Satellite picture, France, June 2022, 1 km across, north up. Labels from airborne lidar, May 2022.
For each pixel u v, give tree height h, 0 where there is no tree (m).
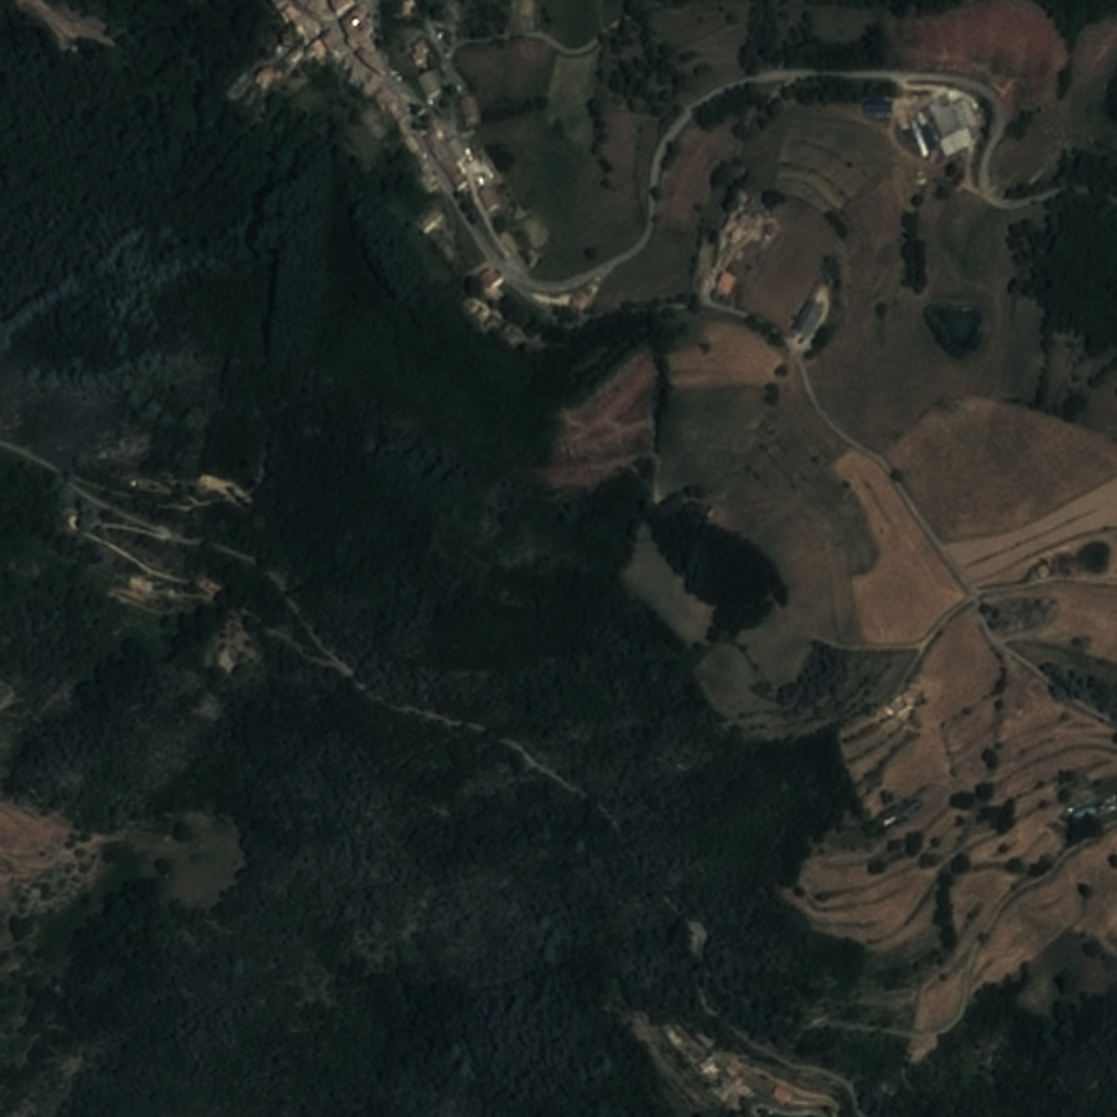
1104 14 7
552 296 0
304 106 0
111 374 13
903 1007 0
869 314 0
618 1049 14
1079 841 15
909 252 11
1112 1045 9
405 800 9
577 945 13
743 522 0
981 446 0
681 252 0
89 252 13
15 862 0
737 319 0
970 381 0
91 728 11
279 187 13
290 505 18
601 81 6
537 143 0
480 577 8
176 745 6
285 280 27
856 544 0
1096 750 0
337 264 7
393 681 19
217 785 13
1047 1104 12
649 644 14
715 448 0
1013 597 0
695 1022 6
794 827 11
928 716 0
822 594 0
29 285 15
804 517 0
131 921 14
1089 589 0
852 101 7
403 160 12
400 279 28
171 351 8
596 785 9
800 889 7
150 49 26
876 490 0
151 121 25
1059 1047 20
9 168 14
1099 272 20
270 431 14
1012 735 0
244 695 15
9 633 10
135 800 6
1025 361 0
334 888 7
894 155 0
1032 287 8
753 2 6
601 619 14
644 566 0
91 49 15
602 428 0
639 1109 11
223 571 12
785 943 12
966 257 0
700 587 18
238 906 7
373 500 14
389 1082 13
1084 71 0
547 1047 12
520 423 6
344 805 15
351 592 10
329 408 14
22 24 12
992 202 0
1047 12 15
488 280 0
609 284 0
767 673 0
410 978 8
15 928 12
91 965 22
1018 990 10
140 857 0
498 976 11
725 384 0
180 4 7
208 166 20
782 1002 10
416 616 11
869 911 0
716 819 7
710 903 14
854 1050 7
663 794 11
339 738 15
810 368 0
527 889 8
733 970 12
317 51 0
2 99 18
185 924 8
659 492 0
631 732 7
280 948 6
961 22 0
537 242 0
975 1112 17
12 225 16
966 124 0
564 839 10
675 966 15
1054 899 0
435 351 6
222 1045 15
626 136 0
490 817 12
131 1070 8
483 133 0
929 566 0
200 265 34
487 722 6
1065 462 0
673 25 0
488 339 10
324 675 7
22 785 6
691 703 13
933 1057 8
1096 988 0
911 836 8
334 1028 10
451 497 25
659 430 9
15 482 16
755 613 11
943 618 0
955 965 0
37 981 9
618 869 10
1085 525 0
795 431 0
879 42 25
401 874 19
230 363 10
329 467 16
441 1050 13
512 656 14
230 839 0
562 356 9
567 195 0
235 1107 7
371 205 22
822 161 0
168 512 6
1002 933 0
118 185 29
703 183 0
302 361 21
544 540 0
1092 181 16
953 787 0
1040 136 0
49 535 10
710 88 0
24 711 10
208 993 7
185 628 17
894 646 0
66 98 16
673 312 7
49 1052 9
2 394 0
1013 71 0
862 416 0
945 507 0
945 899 12
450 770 6
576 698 13
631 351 11
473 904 6
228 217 22
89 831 13
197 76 10
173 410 10
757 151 0
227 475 8
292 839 11
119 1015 11
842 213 0
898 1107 9
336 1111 9
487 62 0
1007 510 0
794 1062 6
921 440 0
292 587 7
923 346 0
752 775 13
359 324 6
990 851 0
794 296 0
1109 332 16
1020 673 0
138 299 13
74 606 14
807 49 15
